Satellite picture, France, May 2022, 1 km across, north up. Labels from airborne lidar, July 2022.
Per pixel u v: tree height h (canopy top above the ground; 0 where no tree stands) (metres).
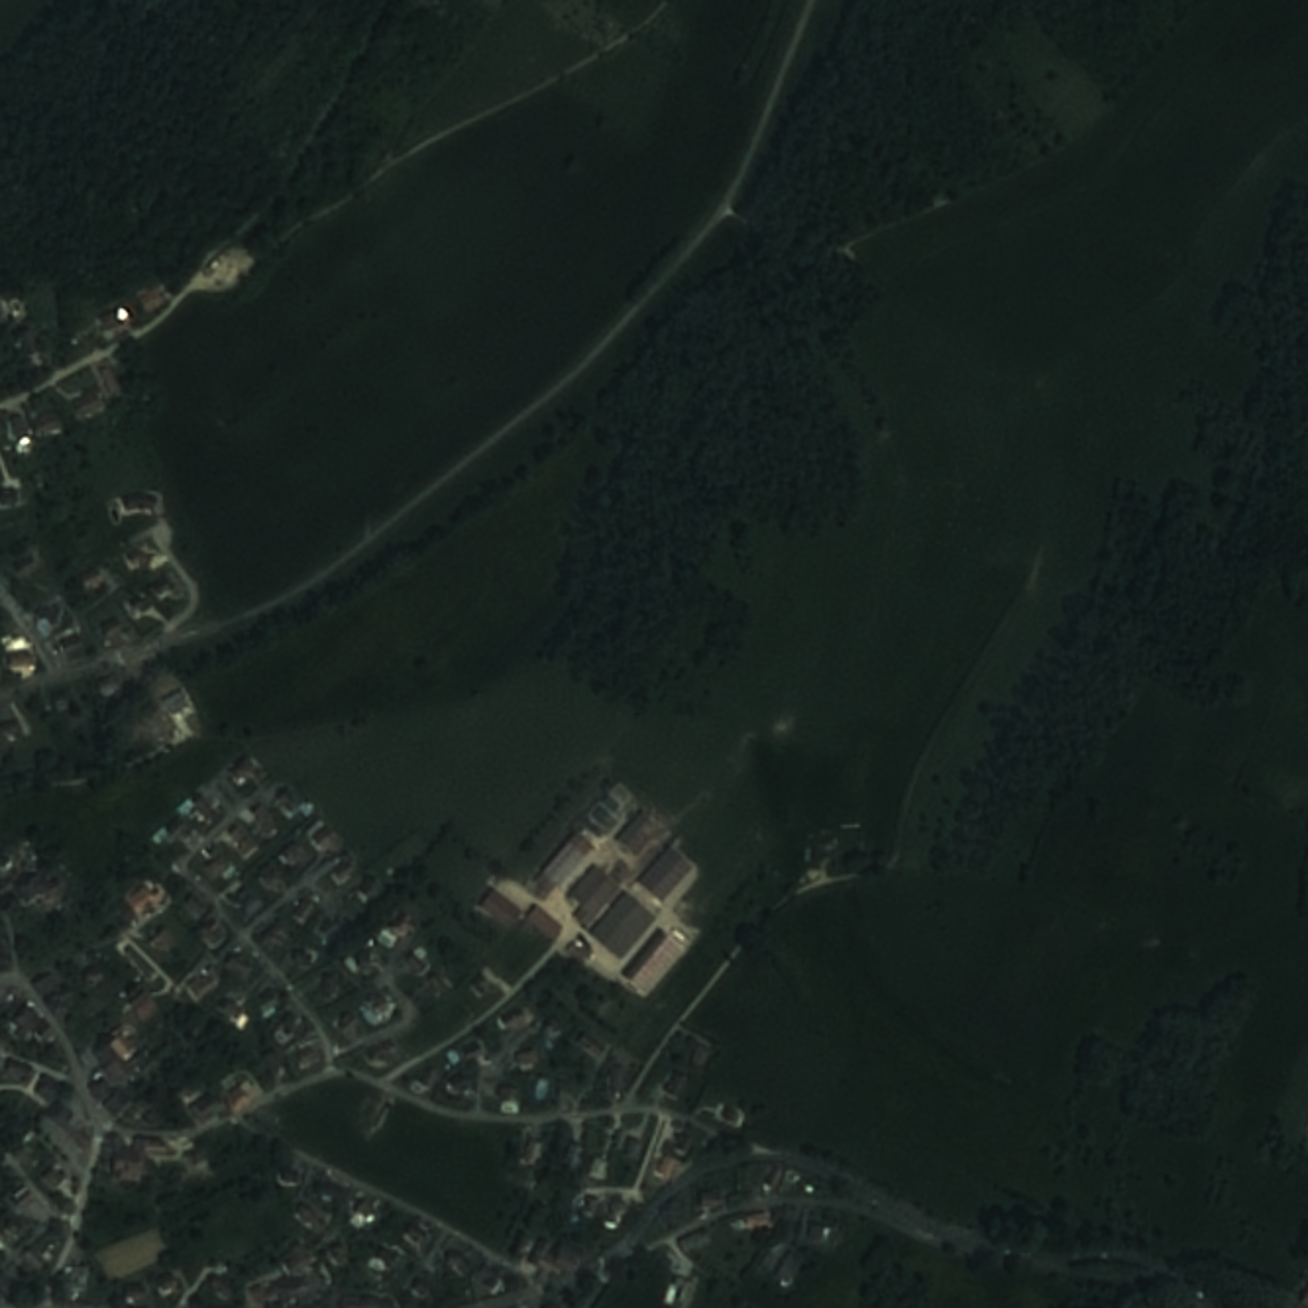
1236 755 0
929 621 0
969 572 0
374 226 0
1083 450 0
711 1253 0
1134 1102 19
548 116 0
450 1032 0
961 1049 0
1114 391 0
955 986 0
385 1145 0
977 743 0
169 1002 0
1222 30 0
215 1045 8
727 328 24
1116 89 14
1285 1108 0
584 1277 12
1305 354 26
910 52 17
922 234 0
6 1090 0
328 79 14
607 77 0
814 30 0
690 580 19
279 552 0
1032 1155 0
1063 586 0
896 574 0
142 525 0
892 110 25
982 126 23
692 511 21
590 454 0
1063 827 0
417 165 0
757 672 0
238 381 0
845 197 6
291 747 0
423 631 0
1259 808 0
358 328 0
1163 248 0
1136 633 20
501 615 0
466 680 0
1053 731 27
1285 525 14
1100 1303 12
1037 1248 19
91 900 6
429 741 0
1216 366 0
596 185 0
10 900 15
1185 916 0
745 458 21
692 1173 0
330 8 13
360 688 0
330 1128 0
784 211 21
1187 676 12
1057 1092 0
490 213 0
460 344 0
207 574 0
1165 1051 17
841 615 0
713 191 0
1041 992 0
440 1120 0
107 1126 0
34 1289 15
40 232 15
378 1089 0
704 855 0
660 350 21
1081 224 0
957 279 0
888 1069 0
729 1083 0
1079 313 0
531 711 0
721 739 0
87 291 12
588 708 0
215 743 0
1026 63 0
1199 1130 23
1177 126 0
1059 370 0
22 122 23
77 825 0
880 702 0
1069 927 0
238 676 0
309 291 0
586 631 20
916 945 0
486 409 0
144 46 20
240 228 6
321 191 8
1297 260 18
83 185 16
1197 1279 20
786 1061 0
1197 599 19
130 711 16
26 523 0
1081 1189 0
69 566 7
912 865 0
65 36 18
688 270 0
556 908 0
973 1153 0
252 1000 0
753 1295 0
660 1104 0
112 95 21
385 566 19
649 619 22
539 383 0
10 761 9
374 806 0
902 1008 0
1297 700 0
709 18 0
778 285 17
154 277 19
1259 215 0
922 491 0
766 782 0
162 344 0
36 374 13
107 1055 0
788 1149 0
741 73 9
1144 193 0
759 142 0
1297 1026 0
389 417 0
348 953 14
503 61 0
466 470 0
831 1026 0
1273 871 0
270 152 18
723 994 0
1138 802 0
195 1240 13
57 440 6
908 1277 13
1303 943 0
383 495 0
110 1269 0
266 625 16
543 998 10
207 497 0
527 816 0
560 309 0
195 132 7
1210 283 0
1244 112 0
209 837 0
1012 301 0
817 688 0
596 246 0
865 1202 6
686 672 7
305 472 0
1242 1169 0
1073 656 26
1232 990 14
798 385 21
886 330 0
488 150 0
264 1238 0
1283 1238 0
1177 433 0
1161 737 0
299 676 0
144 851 6
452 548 0
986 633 0
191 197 14
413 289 0
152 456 6
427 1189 0
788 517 17
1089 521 0
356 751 0
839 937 0
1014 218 0
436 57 9
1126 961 0
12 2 0
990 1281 0
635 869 0
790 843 0
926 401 0
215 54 6
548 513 0
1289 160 0
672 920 0
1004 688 0
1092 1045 17
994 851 17
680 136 0
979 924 0
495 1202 0
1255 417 17
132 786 0
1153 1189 0
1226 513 16
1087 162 0
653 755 0
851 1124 0
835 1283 0
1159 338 0
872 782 0
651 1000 0
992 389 0
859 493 16
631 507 27
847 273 19
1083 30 18
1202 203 0
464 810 0
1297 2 0
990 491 0
